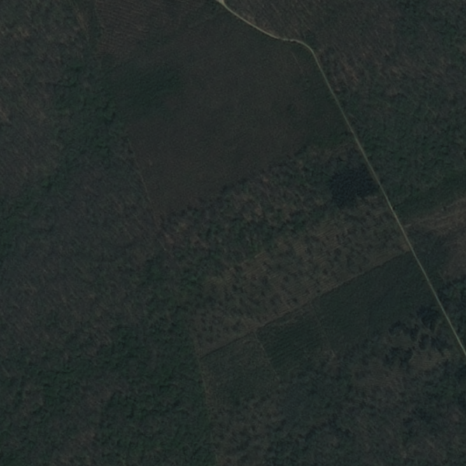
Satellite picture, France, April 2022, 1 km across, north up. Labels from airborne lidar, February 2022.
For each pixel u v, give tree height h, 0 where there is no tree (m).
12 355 23
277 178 28
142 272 29
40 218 27
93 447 24
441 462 29
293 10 27
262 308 29
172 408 20
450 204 0
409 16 29
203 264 27
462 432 22
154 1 6
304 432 31
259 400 25
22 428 21
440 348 29
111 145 32
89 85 27
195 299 26
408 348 0
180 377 24
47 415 24
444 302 22
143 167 11
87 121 22
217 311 23
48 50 31
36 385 28
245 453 28
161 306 26
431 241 21
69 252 32
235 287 0
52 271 30
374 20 26
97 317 30
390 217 0
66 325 29
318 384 26
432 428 26
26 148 31
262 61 12
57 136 29
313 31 28
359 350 21
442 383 23
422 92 31
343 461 24
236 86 10
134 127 12
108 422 24
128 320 27
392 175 23
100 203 28
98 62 26
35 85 29
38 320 29
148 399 25
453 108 29
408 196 22
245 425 25
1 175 23
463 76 31
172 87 20
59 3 31
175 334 25
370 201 0
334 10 28
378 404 28
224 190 9
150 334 29
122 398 25
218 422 25
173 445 21
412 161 22
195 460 26
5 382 28
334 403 26
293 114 11
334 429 27
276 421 23
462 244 0
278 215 32
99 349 27
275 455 26
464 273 0
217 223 24
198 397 21
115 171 29
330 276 24
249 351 0
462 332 20
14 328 29
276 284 0
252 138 10
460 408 26
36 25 26
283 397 22
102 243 33
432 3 26
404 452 25
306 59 11
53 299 27
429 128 29
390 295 16
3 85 28
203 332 0
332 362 20
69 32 31
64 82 24
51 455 20
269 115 12
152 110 17
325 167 23
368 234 26
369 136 23
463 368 23
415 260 15
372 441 24
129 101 19
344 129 11
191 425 25
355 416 24
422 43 31
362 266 0
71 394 26
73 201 0
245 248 28
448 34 27
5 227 23
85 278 33
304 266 27
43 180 26
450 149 23
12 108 31
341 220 25
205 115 10
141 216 27
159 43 10
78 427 28
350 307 0
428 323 27
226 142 10
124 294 31
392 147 26
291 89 11
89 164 26
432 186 21
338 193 29
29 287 28
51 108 31
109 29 6
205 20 11
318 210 26
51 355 23
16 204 25
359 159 23
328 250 26
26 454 22
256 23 0
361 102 28
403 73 30
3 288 28
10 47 30
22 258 27
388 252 25
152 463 25
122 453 26
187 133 10
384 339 24
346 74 28
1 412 27
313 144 12
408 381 0
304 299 0
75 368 23
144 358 26
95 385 27
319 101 9
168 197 13
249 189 29
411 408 26
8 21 27
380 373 0
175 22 8
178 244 28
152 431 30
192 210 17
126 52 6
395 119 29
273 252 26
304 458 26
